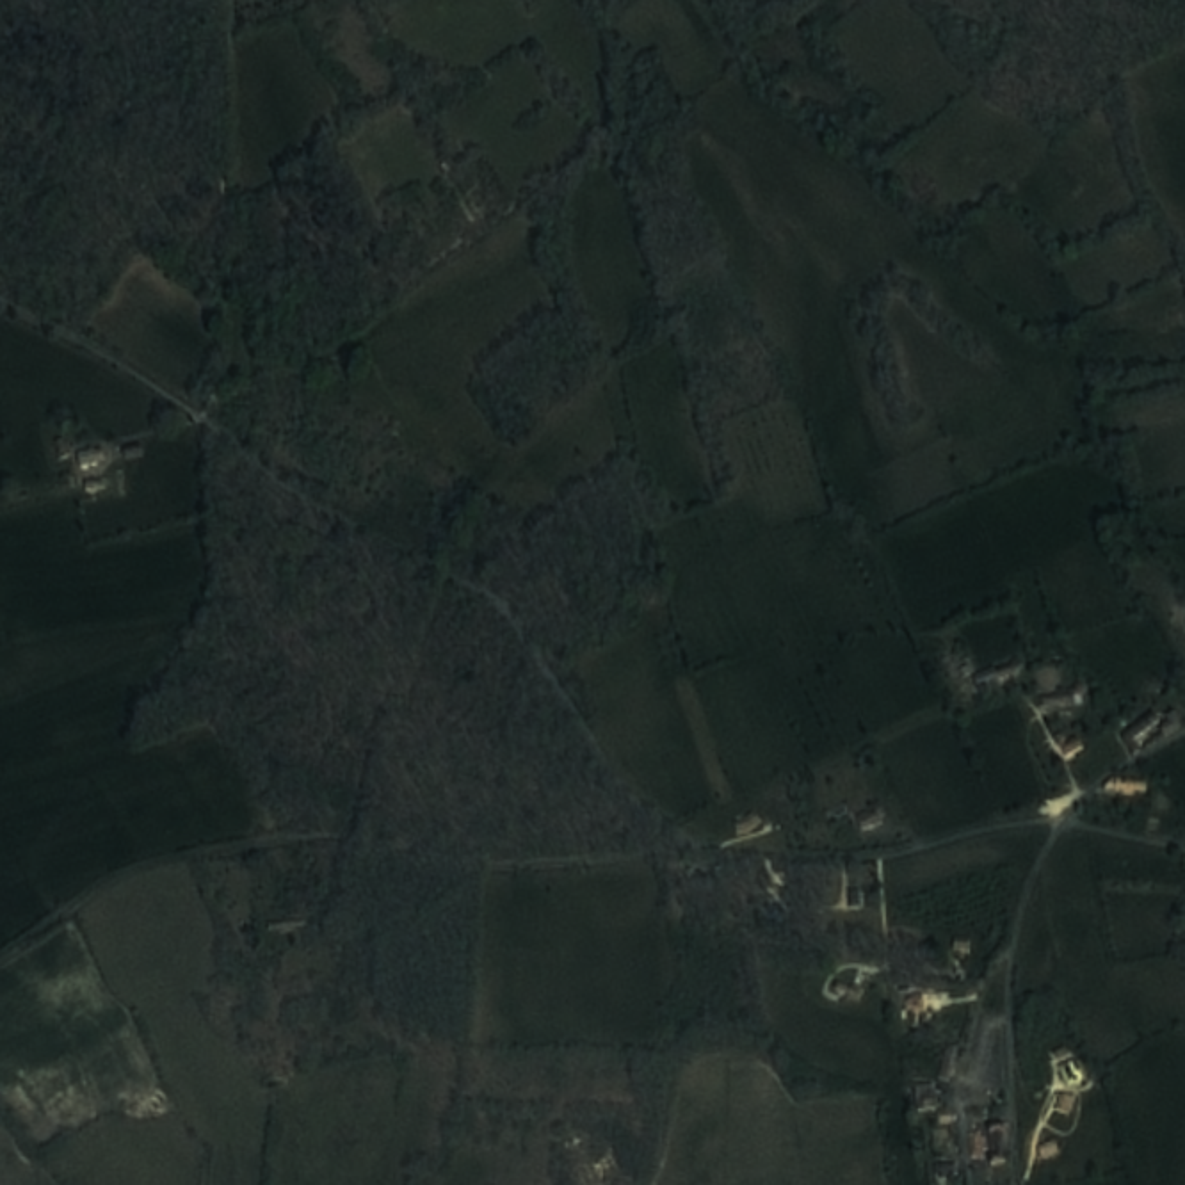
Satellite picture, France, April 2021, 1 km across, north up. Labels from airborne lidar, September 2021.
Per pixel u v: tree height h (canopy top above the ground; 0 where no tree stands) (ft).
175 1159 0
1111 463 32
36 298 53
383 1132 0
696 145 0
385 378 0
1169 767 0
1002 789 0
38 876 0
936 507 18
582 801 59
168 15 57
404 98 54
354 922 76
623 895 0
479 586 57
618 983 0
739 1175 0
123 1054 0
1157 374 33
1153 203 43
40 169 52
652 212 58
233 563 58
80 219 66
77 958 0
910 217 52
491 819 50
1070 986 0
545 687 56
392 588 55
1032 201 0
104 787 0
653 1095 55
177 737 52
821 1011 0
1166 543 43
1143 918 0
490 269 0
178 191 54
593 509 62
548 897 0
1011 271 0
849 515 42
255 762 73
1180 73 0
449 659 27
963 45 31
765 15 56
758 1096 0
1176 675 50
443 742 45
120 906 0
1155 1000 0
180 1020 0
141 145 57
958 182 0
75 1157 0
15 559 0
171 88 71
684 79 0
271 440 22
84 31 54
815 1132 0
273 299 60
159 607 0
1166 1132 0
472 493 48
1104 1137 0
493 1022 0
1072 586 0
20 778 0
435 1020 60
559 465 0
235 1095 0
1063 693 22
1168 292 0
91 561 0
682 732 0
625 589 60
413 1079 0
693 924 31
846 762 0
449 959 78
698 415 37
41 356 0
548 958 0
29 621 0
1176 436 0
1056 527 0
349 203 64
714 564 0
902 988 50
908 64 0
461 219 0
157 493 0
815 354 0
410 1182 42
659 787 0
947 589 0
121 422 0
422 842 62
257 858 31
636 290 0
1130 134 52
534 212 44
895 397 56
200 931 0
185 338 0
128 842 0
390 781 52
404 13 0
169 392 0
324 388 71
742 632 0
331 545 42
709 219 58
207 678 23
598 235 0
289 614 53
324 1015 58
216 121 71
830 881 41
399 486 28
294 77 0
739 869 54
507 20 0
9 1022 0
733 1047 56
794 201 0
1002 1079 0
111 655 0
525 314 0
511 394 66
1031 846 0
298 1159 0
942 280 0
